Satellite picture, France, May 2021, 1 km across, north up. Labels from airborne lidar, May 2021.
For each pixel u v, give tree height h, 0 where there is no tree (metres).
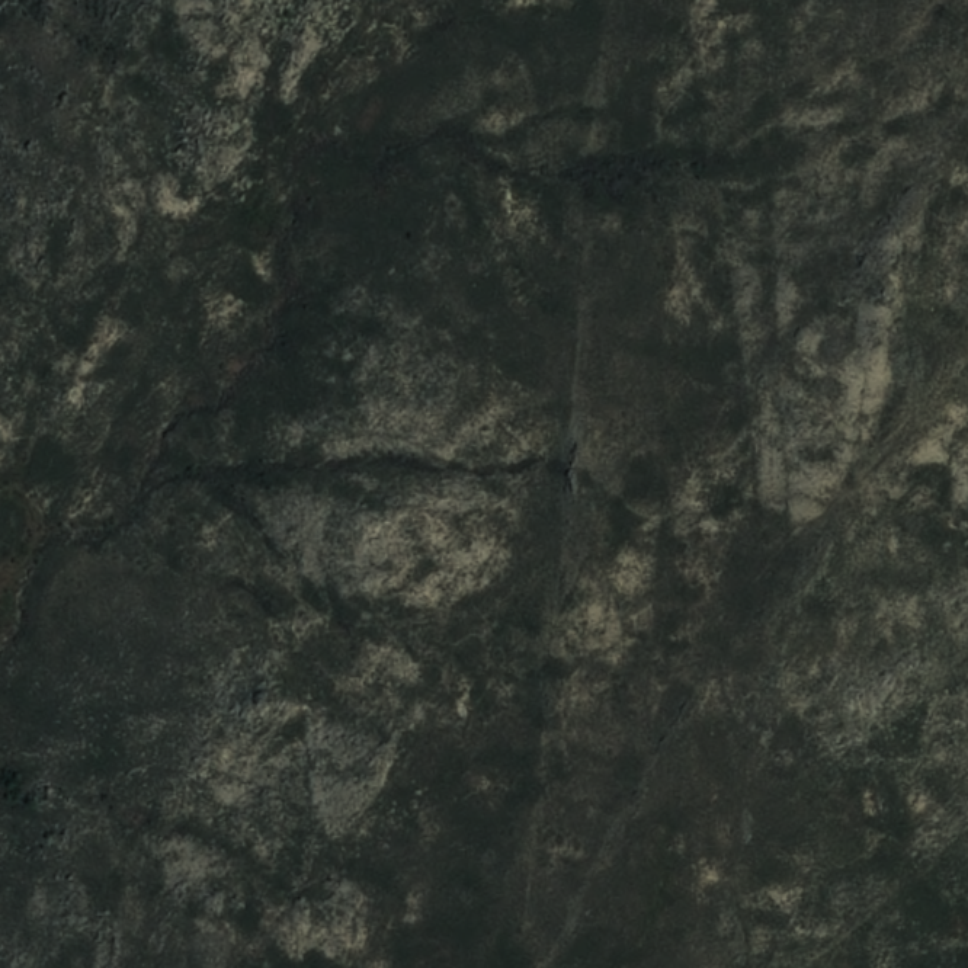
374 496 0
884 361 0
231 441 0
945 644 0
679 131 0
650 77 0
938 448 0
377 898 0
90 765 0
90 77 0
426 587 0
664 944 0
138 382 0
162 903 0
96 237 0
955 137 0
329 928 0
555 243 0
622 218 0
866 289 0
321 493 0
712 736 0
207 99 0
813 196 0
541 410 0
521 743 0
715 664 0
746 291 0
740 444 0
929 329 0
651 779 0
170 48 0
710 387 0
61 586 0
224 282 0
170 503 0
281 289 0
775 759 0
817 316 0
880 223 0
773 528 0
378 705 0
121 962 0
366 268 0
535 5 0
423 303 0
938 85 0
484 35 0
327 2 0
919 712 0
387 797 0
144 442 0
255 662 0
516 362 0
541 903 0
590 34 0
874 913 0
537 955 0
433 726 0
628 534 0
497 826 0
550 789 0
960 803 0
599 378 0
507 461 0
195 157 0
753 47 0
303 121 0
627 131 0
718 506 0
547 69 0
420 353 0
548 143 0
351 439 0
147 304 0
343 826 0
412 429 0
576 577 0
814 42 0
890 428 0
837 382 0
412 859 0
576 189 0
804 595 0
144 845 0
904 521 0
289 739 0
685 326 0
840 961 0
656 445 0
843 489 0
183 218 0
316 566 0
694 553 0
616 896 0
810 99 0
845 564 0
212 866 0
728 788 0
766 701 0
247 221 0
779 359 0
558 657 0
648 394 0
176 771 0
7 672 0
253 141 0
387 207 0
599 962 0
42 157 0
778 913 0
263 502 0
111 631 0
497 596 0
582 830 0
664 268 0
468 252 0
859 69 0
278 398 0
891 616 0
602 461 0
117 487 0
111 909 0
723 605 0
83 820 0
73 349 0
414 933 0
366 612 0
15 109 0
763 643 0
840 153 0
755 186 0
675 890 0
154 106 0
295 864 0
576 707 0
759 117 0
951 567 0
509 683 0
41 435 0
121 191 0
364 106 0
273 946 0
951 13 0
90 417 0
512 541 0
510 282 0
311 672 0
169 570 0
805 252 0
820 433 0
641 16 0
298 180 0
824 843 0
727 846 0
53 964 0
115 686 0
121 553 0
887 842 0
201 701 0
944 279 0
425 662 0
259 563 0
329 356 0
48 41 0
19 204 0
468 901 0
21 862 0
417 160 0
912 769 0
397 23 0
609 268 0
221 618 0
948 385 0
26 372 0
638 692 0
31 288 0
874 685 0
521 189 0
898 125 0
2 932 0
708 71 0
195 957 0
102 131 0
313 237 0
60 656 0
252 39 0
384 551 0
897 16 0
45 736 0
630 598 0
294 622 0
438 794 0
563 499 0
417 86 0
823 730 0
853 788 0
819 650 0
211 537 0
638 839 0
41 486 0
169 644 0
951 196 0
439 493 0
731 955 0
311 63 0
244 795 0
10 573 0
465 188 0
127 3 0
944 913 0
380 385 0
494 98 0
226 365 7
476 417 0
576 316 0
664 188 0
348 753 0
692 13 0
